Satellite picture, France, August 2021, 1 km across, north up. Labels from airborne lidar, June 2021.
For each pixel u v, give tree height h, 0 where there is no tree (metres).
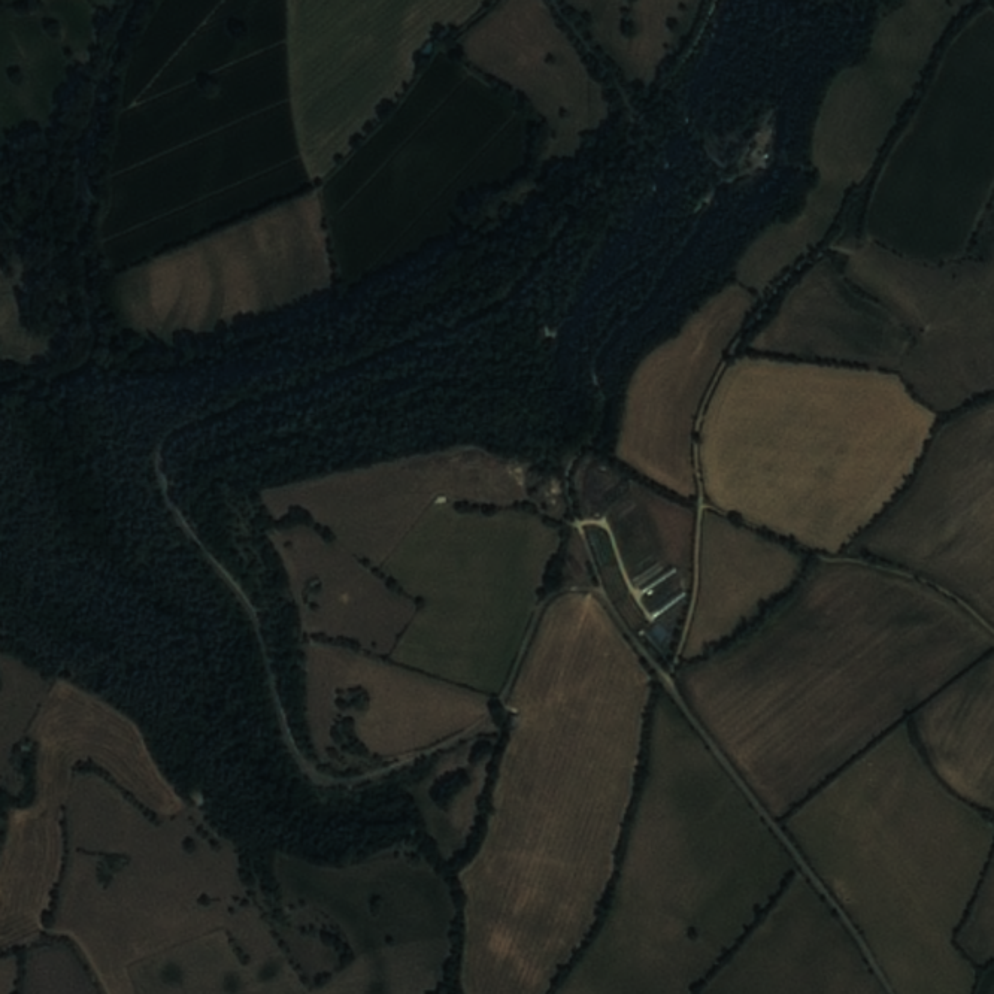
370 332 20
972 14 9
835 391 0
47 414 20
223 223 9
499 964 0
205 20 0
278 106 0
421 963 0
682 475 0
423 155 0
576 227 15
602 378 10
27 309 26
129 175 0
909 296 0
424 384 11
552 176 18
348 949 11
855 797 0
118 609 16
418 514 0
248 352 27
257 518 7
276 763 11
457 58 16
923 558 0
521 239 15
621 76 11
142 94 0
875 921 0
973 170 0
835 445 0
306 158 0
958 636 0
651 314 11
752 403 0
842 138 0
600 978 0
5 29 0
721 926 0
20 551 14
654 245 13
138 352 23
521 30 0
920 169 0
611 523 0
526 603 0
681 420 0
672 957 0
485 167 0
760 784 0
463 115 0
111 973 0
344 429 6
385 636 0
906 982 0
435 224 0
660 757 0
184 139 0
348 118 0
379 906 9
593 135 11
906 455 0
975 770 0
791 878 9
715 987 0
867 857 0
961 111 0
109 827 0
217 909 0
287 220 0
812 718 0
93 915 0
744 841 0
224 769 22
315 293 0
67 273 21
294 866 0
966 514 0
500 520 0
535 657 0
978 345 0
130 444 11
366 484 0
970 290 0
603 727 0
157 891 0
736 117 16
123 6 14
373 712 0
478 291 12
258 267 0
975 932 0
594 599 0
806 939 0
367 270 0
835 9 8
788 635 0
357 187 0
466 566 0
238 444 11
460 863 9
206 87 21
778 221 10
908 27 0
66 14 0
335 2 0
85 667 11
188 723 17
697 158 12
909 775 0
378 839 6
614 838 0
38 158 28
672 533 0
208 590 11
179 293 0
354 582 0
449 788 14
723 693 0
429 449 6
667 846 0
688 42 9
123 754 0
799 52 11
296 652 7
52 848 0
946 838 0
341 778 10
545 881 0
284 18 0
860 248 0
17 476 14
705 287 7
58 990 0
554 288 6
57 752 0
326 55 0
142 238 0
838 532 0
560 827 0
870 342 0
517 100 17
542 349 7
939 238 0
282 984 0
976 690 0
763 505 0
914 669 0
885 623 0
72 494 24
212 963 0
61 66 0
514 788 0
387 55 0
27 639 14
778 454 0
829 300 0
